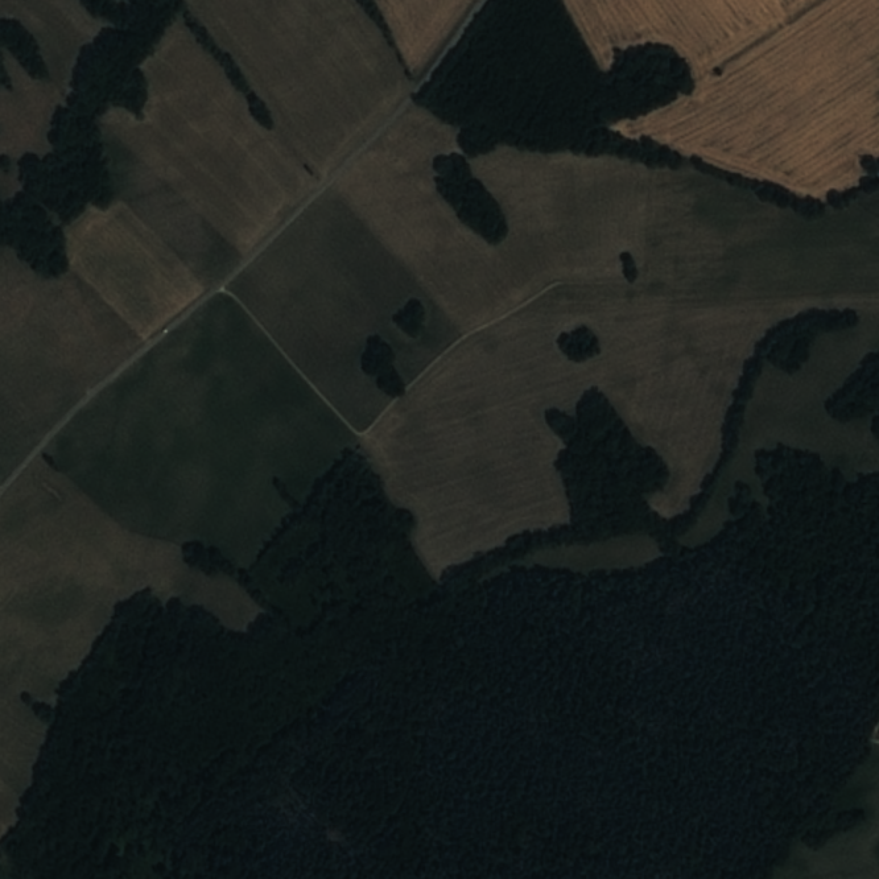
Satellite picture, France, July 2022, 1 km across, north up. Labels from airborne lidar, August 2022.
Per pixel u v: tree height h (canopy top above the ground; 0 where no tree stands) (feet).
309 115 0
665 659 90
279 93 0
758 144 0
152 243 0
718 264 0
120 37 66
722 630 73
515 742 89
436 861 99
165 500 0
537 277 0
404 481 0
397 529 48
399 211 0
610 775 95
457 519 0
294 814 63
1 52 35
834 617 63
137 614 64
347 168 0
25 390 0
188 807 71
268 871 66
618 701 78
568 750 85
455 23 0
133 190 0
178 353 0
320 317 0
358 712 88
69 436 0
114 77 55
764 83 0
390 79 0
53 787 57
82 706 66
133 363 0
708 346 0
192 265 0
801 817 54
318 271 0
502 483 0
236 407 0
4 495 0
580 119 37
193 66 0
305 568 41
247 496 0
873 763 0
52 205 49
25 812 61
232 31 0
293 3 0
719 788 94
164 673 67
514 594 84
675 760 63
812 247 0
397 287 0
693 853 78
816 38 0
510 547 29
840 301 0
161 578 0
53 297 0
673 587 91
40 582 0
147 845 80
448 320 0
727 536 47
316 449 0
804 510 58
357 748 81
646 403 0
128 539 0
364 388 0
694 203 0
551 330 0
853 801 0
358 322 0
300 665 55
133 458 0
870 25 0
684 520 45
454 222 0
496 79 35
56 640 0
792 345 47
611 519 45
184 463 0
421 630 71
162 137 0
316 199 0
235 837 37
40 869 68
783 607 79
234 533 0
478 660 63
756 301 0
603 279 0
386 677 86
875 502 33
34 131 0
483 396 0
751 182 21
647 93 62
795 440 0
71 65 0
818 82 0
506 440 0
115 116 0
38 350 0
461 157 41
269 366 0
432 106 37
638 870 98
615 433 75
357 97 0
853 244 0
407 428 0
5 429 0
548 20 34
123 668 47
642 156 48
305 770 49
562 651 87
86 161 65
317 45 0
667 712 81
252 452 0
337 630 58
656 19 0
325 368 0
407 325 60
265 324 0
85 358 0
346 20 0
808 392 0
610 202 0
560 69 39
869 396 70
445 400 0
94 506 0
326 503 45
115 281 0
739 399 41
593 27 0
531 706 93
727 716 82
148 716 60
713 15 0
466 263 0
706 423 0
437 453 0
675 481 0
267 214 0
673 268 0
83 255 0
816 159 0
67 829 71
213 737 60
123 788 45
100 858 40
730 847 90
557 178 0
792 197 39
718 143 0
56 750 72
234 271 0
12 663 0
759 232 0
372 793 101
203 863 69
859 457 0
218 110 0
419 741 65
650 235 0
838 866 0
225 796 76
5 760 0
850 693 44
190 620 60
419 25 0
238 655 58
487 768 78
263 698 60
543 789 90
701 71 0
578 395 0
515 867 86
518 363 0
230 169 0
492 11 25
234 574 28
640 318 0
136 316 0
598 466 72
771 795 61
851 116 0
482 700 86
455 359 0
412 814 65
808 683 70
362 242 0
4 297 0
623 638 85
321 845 58
